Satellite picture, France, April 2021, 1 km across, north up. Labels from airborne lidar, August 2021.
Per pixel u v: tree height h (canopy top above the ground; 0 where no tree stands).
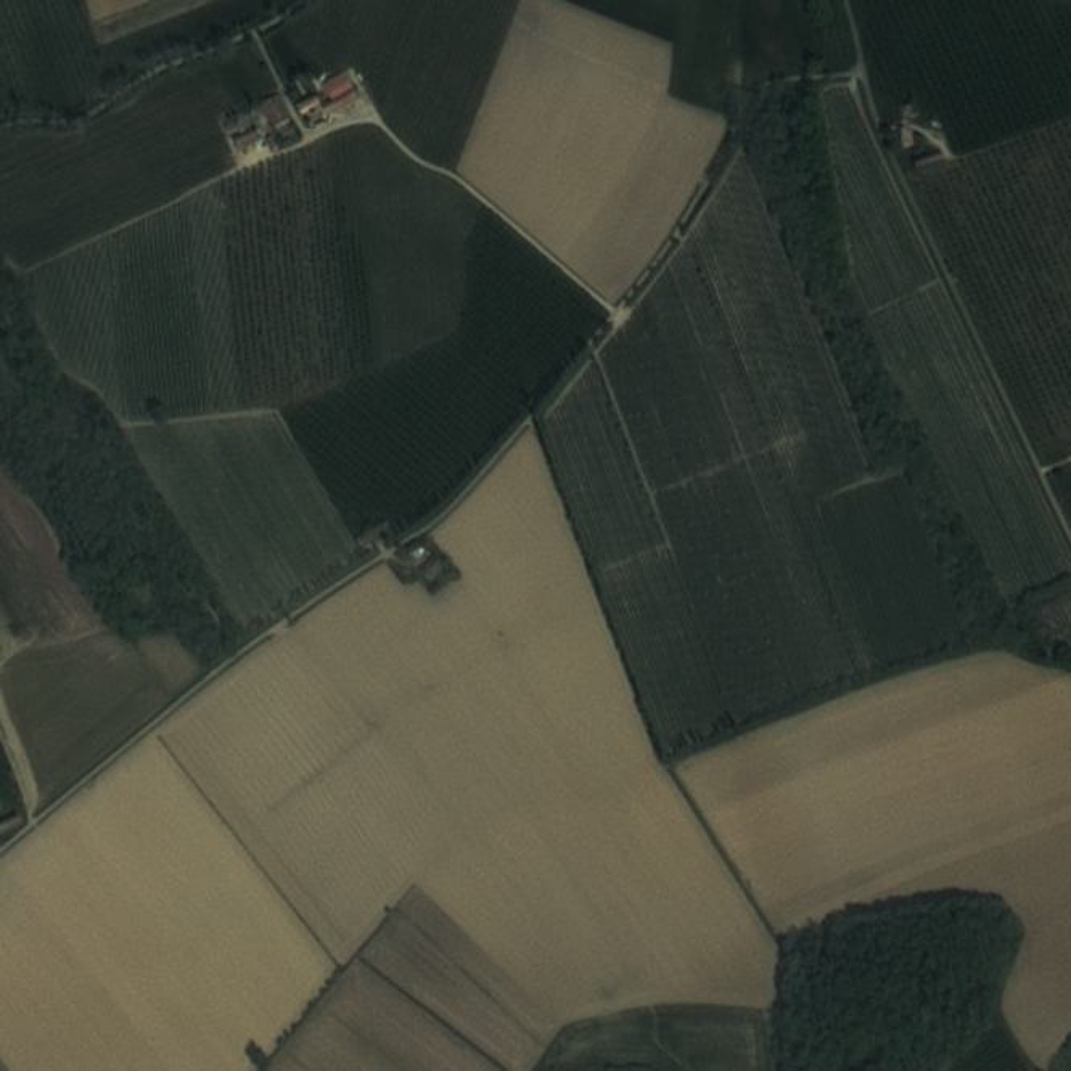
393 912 8
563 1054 0
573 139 0
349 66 0
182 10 0
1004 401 0
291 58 0
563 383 20
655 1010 0
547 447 17
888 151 10
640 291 7
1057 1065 10
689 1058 0
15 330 17
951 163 0
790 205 19
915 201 0
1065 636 7
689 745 11
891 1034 22
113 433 22
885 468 18
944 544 14
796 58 0
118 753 0
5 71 7
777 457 7
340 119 0
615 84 0
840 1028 23
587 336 0
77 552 25
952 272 5
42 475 20
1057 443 0
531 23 0
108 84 13
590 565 10
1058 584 8
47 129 12
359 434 5
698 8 0
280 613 11
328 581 13
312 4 10
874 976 28
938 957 25
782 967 11
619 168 0
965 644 11
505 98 0
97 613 9
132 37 0
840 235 17
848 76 0
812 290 15
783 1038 13
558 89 0
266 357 6
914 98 9
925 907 18
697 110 0
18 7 8
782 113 14
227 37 11
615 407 8
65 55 8
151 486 17
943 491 19
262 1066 24
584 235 0
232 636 16
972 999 10
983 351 0
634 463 8
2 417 17
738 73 0
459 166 0
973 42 5
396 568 0
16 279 14
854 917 15
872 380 16
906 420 20
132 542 20
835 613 7
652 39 0
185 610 11
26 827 0
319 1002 6
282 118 0
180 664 0
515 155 0
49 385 24
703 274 8
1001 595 14
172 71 11
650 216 0
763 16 0
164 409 17
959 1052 12
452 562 11
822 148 22
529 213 0
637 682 11
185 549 18
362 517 6
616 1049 0
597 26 0
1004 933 20
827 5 18
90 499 16
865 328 12
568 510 7
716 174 11
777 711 9
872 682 10
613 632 8
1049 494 0
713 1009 0
